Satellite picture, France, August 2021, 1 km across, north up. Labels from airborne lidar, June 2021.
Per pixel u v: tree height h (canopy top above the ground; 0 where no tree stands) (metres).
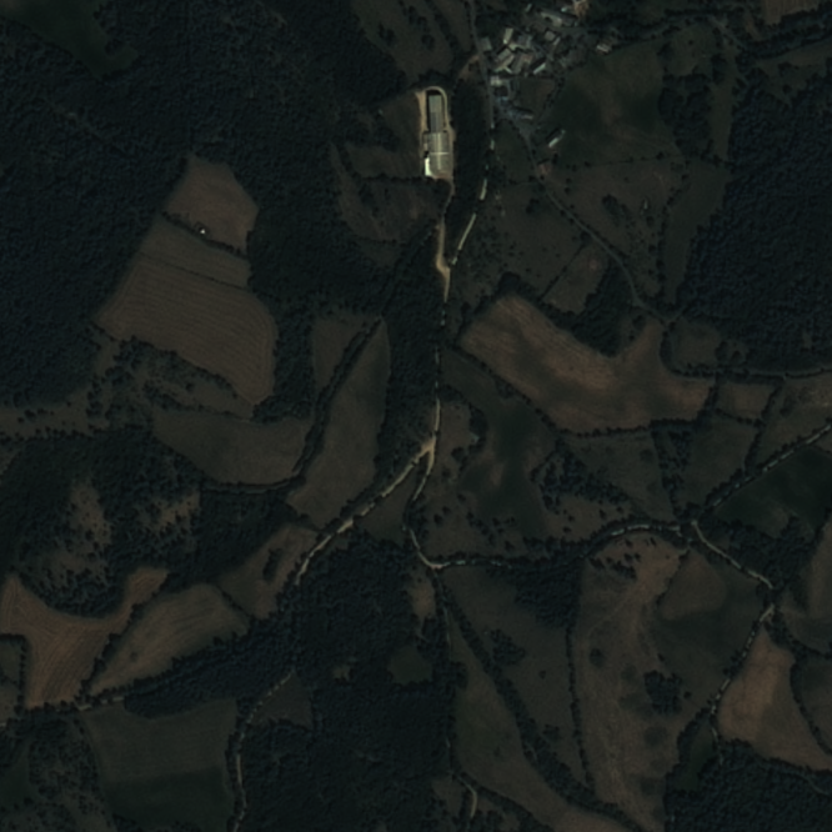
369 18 0
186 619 0
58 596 11
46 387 20
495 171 9
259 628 8
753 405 0
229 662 15
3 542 13
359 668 10
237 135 15
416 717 12
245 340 0
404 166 0
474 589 0
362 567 12
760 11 9
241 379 0
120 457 11
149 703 14
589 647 0
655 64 0
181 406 6
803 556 12
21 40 10
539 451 0
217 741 0
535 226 0
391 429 11
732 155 6
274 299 12
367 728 11
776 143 14
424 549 9
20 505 13
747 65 14
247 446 0
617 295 7
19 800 0
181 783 0
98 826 0
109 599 16
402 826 12
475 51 9
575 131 0
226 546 15
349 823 12
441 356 7
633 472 0
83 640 0
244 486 9
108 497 6
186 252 0
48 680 0
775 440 0
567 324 7
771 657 0
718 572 0
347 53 12
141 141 16
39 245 16
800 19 13
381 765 9
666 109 18
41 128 15
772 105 16
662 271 10
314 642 12
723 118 0
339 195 8
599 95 0
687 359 0
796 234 11
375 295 11
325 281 13
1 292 19
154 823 0
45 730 7
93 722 0
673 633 0
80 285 16
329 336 0
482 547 0
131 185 11
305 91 9
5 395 16
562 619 8
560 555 12
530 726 11
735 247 14
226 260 0
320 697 13
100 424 0
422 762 12
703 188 0
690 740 12
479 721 0
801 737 0
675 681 9
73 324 17
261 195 8
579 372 0
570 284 0
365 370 0
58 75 10
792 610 0
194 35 10
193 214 0
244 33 15
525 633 0
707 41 0
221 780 0
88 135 12
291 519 12
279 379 9
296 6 11
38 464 9
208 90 13
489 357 0
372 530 0
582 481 15
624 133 0
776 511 0
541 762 10
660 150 0
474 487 0
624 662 0
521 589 8
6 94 13
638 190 0
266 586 0
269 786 8
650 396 0
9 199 16
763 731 0
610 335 8
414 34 0
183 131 9
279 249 8
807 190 17
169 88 12
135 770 0
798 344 10
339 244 8
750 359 9
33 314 18
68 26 0
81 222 15
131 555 14
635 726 0
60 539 15
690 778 0
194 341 0
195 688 14
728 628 0
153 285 0
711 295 10
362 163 0
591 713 0
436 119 0
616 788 0
